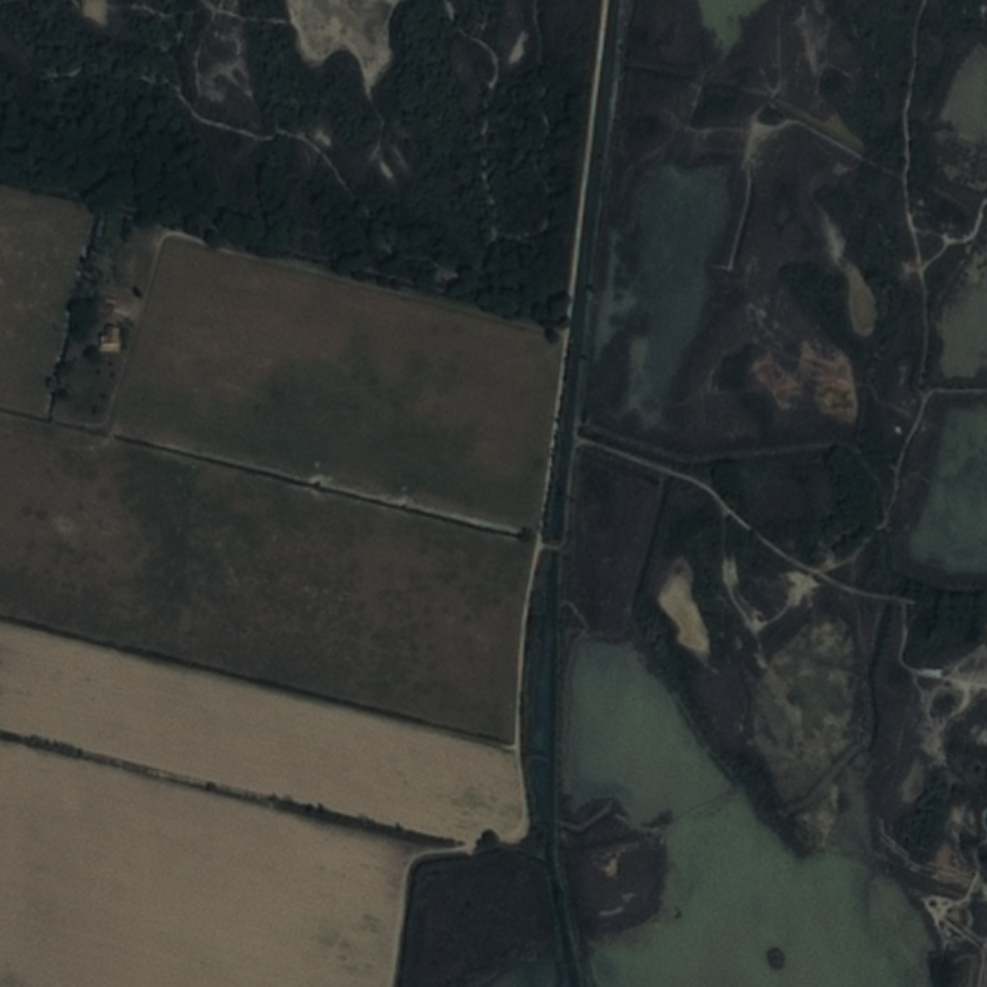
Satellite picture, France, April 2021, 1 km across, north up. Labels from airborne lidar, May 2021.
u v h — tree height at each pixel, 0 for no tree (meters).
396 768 0
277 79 7
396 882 0
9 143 14
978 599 8
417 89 7
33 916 0
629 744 0
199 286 0
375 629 0
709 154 0
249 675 0
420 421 0
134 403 0
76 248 0
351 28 0
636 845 0
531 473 0
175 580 0
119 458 0
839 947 0
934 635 8
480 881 0
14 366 0
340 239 10
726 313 0
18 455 0
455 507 0
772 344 0
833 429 0
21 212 0
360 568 0
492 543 0
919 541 0
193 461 0
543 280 11
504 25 0
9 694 0
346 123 5
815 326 0
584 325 0
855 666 0
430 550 0
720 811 0
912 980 0
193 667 0
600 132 0
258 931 0
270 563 0
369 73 0
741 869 0
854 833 0
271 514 0
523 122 6
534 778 0
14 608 0
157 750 0
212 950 0
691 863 0
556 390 0
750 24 0
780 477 0
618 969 0
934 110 0
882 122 0
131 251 0
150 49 7
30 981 0
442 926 0
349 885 0
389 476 0
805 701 0
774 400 0
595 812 0
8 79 8
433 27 6
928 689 0
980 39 0
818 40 0
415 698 0
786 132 0
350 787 0
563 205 10
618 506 0
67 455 0
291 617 0
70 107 10
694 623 0
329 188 7
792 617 0
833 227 0
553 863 0
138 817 0
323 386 0
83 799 0
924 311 0
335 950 0
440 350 0
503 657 0
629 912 0
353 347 0
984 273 0
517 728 0
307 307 0
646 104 0
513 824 0
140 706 0
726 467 9
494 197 6
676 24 0
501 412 0
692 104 0
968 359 0
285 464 0
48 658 0
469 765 0
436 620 0
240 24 0
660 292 0
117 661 0
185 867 0
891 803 0
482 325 0
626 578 0
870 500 8
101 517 0
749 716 0
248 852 0
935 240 0
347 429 0
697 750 0
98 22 0
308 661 0
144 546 0
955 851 0
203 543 0
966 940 0
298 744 0
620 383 0
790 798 0
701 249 0
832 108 0
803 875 0
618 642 0
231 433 0
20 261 0
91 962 0
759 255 0
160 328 0
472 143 7
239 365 0
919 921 0
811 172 0
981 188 0
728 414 0
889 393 0
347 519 0
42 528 0
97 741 0
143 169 15
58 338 0
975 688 0
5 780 0
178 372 0
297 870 0
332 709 0
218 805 0
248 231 15
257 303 0
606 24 0
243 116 0
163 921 0
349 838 0
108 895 0
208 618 0
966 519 0
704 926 0
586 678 0
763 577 0
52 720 0
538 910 0
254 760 0
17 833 0
